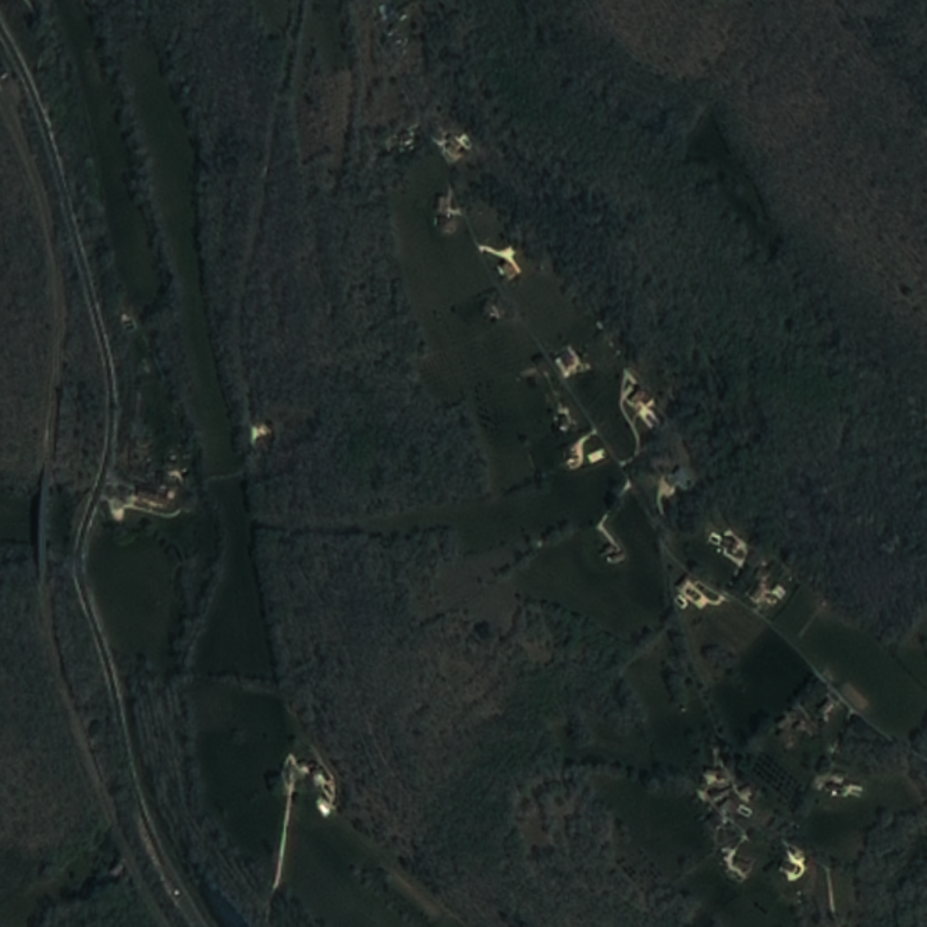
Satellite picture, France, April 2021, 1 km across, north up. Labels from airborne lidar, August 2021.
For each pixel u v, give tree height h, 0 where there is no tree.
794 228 15
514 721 19
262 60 13
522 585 0
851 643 0
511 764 20
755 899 0
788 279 18
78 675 15
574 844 11
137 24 13
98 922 21
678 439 22
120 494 11
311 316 11
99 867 6
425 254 0
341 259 10
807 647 0
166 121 0
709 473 23
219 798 0
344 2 10
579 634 17
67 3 0
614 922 15
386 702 14
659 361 23
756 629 0
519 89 19
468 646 9
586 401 0
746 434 21
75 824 13
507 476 0
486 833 17
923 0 19
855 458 14
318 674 10
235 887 36
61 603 11
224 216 9
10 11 11
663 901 11
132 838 24
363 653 17
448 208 0
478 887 13
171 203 0
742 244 24
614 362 0
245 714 0
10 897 7
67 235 23
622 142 22
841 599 20
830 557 21
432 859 16
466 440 16
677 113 20
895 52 15
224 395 10
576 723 18
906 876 8
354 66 11
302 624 13
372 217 14
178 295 22
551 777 16
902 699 0
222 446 0
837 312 20
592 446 0
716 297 18
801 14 17
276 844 0
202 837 28
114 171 0
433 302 0
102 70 8
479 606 0
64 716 20
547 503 0
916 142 14
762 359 19
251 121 14
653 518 12
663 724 0
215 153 11
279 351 12
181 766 21
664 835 0
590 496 0
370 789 13
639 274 14
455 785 15
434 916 0
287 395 13
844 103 13
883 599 22
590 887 18
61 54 20
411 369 10
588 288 14
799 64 14
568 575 0
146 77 0
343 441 18
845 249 12
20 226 11
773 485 17
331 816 0
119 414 19
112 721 19
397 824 11
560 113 23
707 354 23
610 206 14
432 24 12
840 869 14
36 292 16
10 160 15
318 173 10
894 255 11
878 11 18
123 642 0
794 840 6
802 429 17
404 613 16
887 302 11
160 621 0
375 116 10
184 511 18
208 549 0
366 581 20
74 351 12
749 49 12
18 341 13
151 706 35
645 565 0
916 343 12
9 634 15
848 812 0
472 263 0
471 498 11
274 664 13
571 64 17
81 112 10
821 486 18
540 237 13
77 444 13
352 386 9
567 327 0
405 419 23
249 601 0
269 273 12
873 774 16
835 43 14
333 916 0
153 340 10
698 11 13
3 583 14
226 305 12
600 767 16
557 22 10
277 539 11
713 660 16
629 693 13
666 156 22
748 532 14
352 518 16
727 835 7
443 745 12
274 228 10
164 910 16
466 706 10
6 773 11
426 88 10
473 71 13
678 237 12
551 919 16
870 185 11
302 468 16
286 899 18
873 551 21
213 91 13
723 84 14
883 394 21
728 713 0
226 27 17
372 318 10
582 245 18
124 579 0
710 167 19
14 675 17
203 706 0
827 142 14
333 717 13
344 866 0
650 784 18
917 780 18
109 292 18
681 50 16
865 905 18
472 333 0
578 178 16
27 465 14
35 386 12
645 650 25
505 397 0
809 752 0
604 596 0
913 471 18
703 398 20
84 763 15
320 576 12
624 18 17
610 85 15
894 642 18
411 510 12
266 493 13
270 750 0
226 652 0
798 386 22
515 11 16
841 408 24
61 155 13
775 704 0
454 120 13
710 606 0
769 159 13
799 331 24
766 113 12
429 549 12
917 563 20
